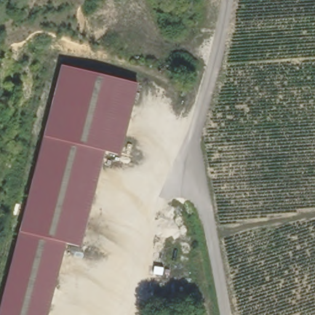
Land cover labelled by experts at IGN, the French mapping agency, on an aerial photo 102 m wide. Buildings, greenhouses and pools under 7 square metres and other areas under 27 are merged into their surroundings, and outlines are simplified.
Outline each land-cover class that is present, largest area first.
<instances>
[{"label":"vineyard","instance_id":"1","mask_svg":"<svg viewBox=\"0 0 315 315\"><path fill-rule=\"evenodd\" d=\"M204 176L217 224L220 257L223 262L231 315H315V0H239L231 47L228 44L224 46L208 111L205 112L204 122L199 127Z\"/></svg>","mask_w":315,"mask_h":315},{"label":"herbaceous vegetation","instance_id":"2","mask_svg":"<svg viewBox=\"0 0 315 315\"><path fill-rule=\"evenodd\" d=\"M48 0H0V86L10 91L14 85L5 78L15 74L12 65L20 58L18 48L31 42L39 33L52 37L49 49L43 54L42 63L48 66V76L44 78L46 85L32 129L33 134H38V140L22 204H15L14 210V215H18L17 224L7 256L5 274L0 276V301L9 277L62 65L76 66L137 82L138 94L135 95L134 106L142 105L143 97L149 94L157 98L169 97L176 116L186 117L192 107L199 85L193 86L189 92L177 90L170 79H167L160 70H156L153 64L145 68V63L137 65L128 59L134 54H153L156 58L166 59L172 50L186 49L196 57L202 58L204 64L208 62L212 52L213 33L217 27L221 0H210L207 6L208 27L202 28L192 41L182 37L177 41H170L162 37L160 28L156 25L154 7L146 0H73L69 4L71 10L57 14L49 12L48 21L62 23L66 16L75 15L80 31L91 34L87 44L62 37L46 28L34 30L30 25L12 26L11 17L25 16L34 6L47 5ZM128 146L122 149V153L105 151L101 171L128 170L140 164L143 160V151L138 149L137 139L129 137L126 140ZM170 204L173 207V219L182 217L186 234L178 236L177 239L167 237L164 249L159 253V260L153 262L156 276L154 279L157 282L154 287L155 298L165 300L169 304H180L183 299L192 298L194 305L205 309V315H220L207 241L196 205L191 201L181 203L176 199ZM75 251H78L84 253L86 260H101L105 253L92 245L86 250L82 249V242L75 244L66 241L64 252L74 255Z\"/></svg>","mask_w":315,"mask_h":315},{"label":"building","instance_id":"3","mask_svg":"<svg viewBox=\"0 0 315 315\"><path fill-rule=\"evenodd\" d=\"M138 94L137 82L76 66L62 65L9 277L0 301V315H48L54 289L59 285V269L62 266L64 252L66 241L75 244L82 242L101 171L105 151L122 153V149L128 146L126 140L129 137L127 129L134 106L135 95Z\"/></svg>","mask_w":315,"mask_h":315},{"label":"pervious surface","instance_id":"4","mask_svg":"<svg viewBox=\"0 0 315 315\"><path fill-rule=\"evenodd\" d=\"M198 111L192 107L186 117L176 116L169 97L157 98L149 94L143 97L142 105L134 106L127 129L129 137L137 139L138 149L143 151V160L140 164L128 170L101 171L82 242V249L86 250L92 245L105 253L101 260H86L84 253L78 251H75L74 255L64 252L62 266L59 269V285L54 289L48 315H138V310L155 298L154 287L157 282L154 279L156 276L153 262L159 260V253L164 249L167 237L177 239L178 236L186 234L182 217L173 219V207L170 204L160 197V192L167 173L173 169V162L188 127L192 123L196 126Z\"/></svg>","mask_w":315,"mask_h":315},{"label":"brushwood","instance_id":"5","mask_svg":"<svg viewBox=\"0 0 315 315\"><path fill-rule=\"evenodd\" d=\"M73 0H48L47 5L34 6L25 16L11 17L12 26L30 25L34 30L46 28L62 37L87 44L91 34L80 31L75 15L66 16L62 23L48 21L49 12L57 14L71 10L69 4ZM52 37L39 33L31 42L18 48L20 58L12 65L15 74L5 78L14 85L10 91L0 86V203L14 210L15 204H22L38 140V134H33L32 129L46 85L44 78L48 76V66L42 63L43 54L49 49ZM137 65L145 63V68L153 64L156 70H160L167 79H170L177 90L189 92L193 86L199 85L204 64L202 58L196 57L186 49L172 50L166 59L156 58L153 54H134L128 59Z\"/></svg>","mask_w":315,"mask_h":315},{"label":"impervious surface","instance_id":"6","mask_svg":"<svg viewBox=\"0 0 315 315\"><path fill-rule=\"evenodd\" d=\"M239 0H221L217 27L213 33L212 52L208 62L204 64L199 85L192 107L198 111L196 126L192 123L188 127L173 162V169L167 173L160 192V197L170 204L176 199L181 203L191 201L196 205L207 241L220 315H231L223 262L220 257L217 224L204 176L199 127L204 122L205 112L208 111L224 46L228 44L231 47Z\"/></svg>","mask_w":315,"mask_h":315},{"label":"deciduous trees","instance_id":"7","mask_svg":"<svg viewBox=\"0 0 315 315\"><path fill-rule=\"evenodd\" d=\"M154 7L156 25L160 28L162 37L170 41H177L182 37L192 41L202 28L208 27L207 6L210 0H146ZM18 215H14V210L0 203V276L5 274L7 256L17 224ZM138 315H205V309L194 305L192 298L183 299L180 304H169L165 300L155 298L138 310Z\"/></svg>","mask_w":315,"mask_h":315}]
</instances>
